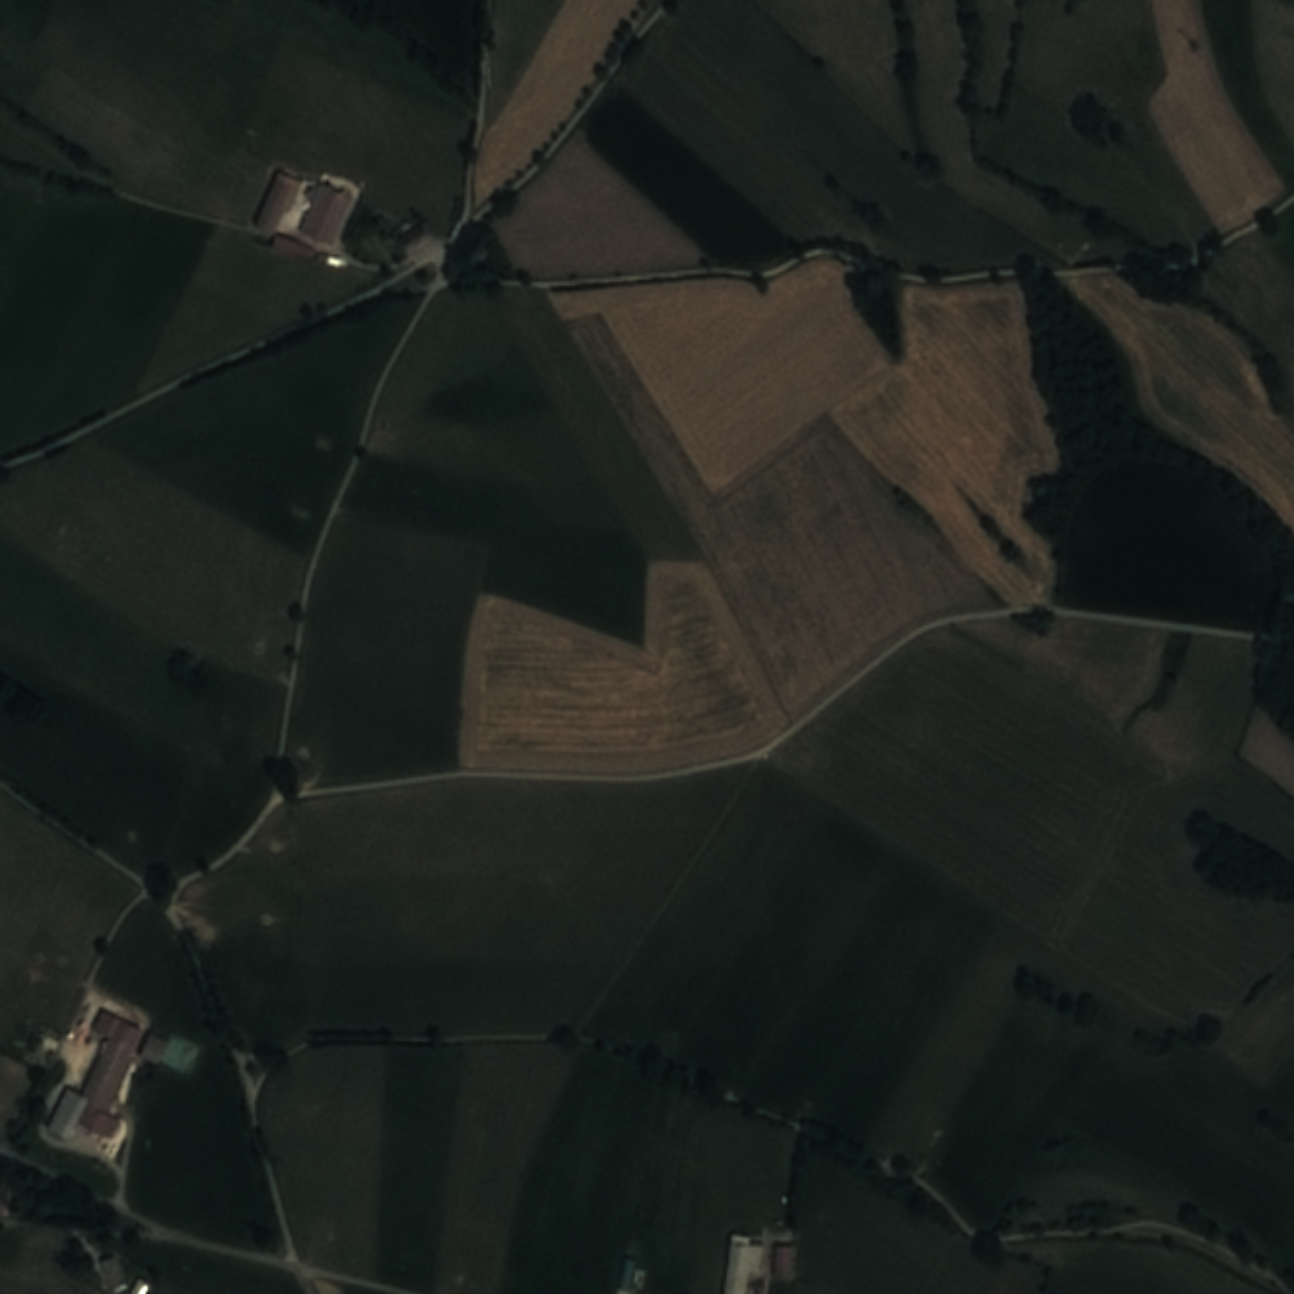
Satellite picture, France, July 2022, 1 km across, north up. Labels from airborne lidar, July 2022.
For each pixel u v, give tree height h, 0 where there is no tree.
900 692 0
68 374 0
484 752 0
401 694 0
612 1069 0
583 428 0
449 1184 0
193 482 0
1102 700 0
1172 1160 0
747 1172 0
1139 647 0
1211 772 0
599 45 0
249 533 0
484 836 0
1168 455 9
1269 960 0
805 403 0
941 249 0
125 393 0
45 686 0
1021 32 8
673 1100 0
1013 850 0
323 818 0
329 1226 0
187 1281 0
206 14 0
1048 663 0
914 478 0
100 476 0
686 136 0
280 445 0
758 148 0
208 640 0
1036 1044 0
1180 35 0
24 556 0
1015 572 0
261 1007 0
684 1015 0
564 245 0
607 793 0
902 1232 0
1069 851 0
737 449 0
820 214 0
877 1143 0
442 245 0
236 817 0
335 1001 0
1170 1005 0
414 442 0
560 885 0
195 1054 0
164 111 0
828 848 0
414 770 0
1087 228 11
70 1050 0
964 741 0
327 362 0
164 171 0
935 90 0
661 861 0
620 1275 0
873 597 0
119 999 0
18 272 0
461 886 0
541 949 0
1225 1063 0
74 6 0
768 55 0
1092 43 0
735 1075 0
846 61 0
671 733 0
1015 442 0
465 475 0
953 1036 0
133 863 0
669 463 0
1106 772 0
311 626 0
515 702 0
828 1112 0
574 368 0
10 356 0
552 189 0
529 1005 0
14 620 0
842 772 0
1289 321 0
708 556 0
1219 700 0
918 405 0
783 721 0
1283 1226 0
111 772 0
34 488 0
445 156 0
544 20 0
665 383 0
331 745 0
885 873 0
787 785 0
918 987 0
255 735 0
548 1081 0
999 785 0
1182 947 0
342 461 0
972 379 0
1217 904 0
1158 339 0
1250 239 0
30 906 0
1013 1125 0
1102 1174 0
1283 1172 0
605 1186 0
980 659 0
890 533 0
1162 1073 0
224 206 0
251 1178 0
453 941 0
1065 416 10
